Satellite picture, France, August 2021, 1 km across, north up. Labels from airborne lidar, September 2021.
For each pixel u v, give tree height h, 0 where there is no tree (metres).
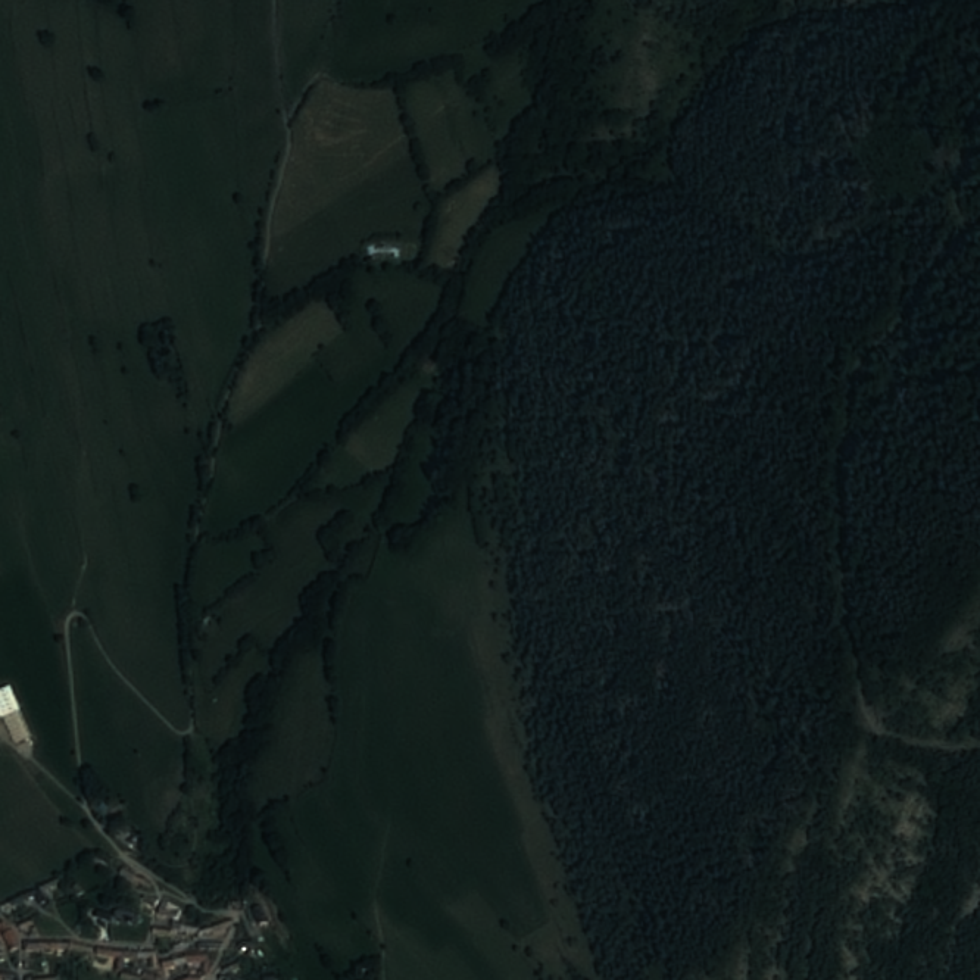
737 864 14
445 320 16
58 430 0
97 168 0
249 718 15
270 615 0
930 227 21
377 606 0
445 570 0
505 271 0
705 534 13
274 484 0
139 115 0
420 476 0
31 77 0
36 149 0
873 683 12
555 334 15
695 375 19
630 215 21
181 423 0
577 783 13
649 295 17
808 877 12
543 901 0
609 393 20
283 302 10
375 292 0
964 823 22
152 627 0
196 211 0
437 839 0
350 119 0
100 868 14
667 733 20
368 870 0
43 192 0
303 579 0
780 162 25
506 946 0
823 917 18
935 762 15
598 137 8
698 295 18
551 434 16
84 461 0
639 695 19
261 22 0
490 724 0
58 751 0
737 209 20
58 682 0
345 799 0
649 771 23
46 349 0
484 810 0
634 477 20
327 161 0
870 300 26
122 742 0
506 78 0
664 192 15
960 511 21
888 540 24
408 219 0
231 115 0
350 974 9
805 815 8
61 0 0
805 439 18
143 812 0
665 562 21
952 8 23
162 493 0
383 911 0
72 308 0
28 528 0
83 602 0
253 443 0
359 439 0
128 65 0
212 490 11
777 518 22
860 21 19
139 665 0
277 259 0
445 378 13
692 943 20
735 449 25
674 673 22
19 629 0
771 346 13
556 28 26
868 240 16
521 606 14
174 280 0
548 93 26
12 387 0
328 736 0
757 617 19
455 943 0
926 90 25
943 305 27
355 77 0
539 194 19
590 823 14
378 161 0
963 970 19
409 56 0
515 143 21
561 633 20
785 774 23
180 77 0
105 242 0
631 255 18
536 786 7
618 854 16
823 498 11
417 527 8
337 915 0
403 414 0
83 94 0
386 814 0
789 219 19
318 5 0
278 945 0
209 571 0
